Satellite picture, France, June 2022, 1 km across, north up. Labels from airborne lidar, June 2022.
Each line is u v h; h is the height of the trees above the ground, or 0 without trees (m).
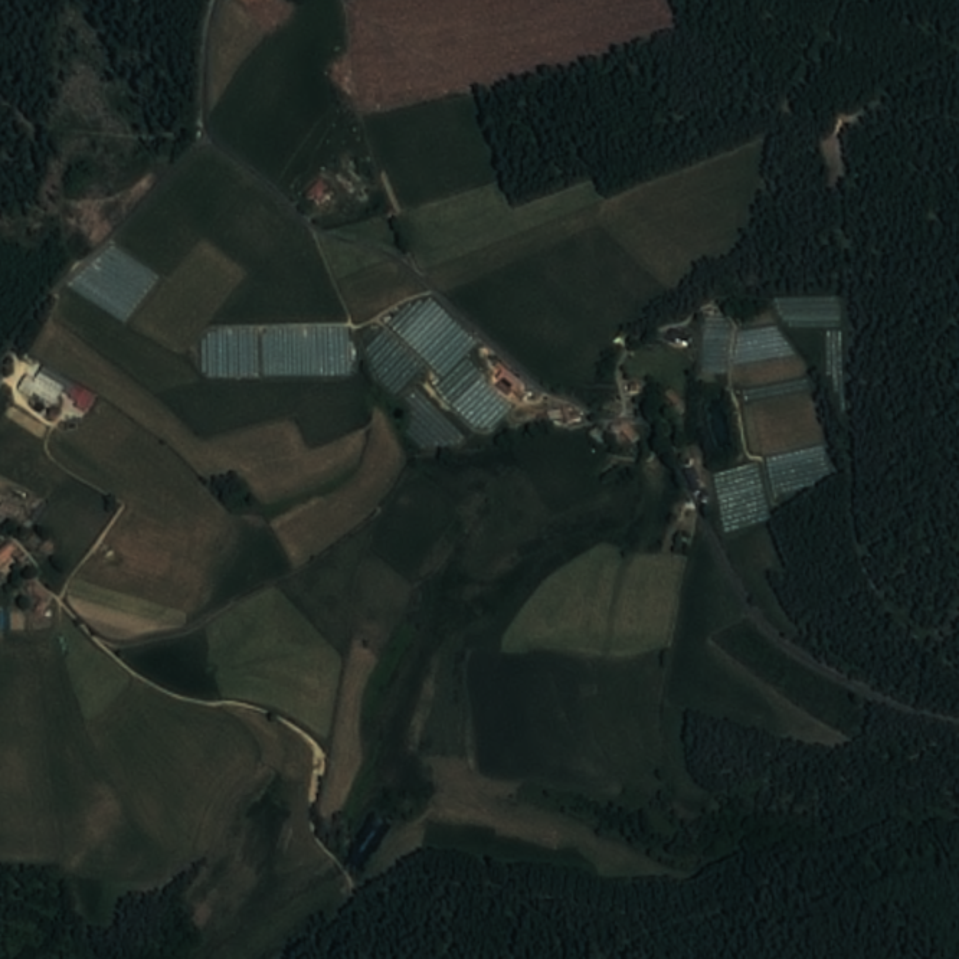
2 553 0
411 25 0
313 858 0
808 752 17
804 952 25
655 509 0
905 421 20
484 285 0
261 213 0
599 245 0
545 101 19
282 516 0
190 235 0
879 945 24
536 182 21
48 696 0
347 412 0
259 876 0
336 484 0
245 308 0
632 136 18
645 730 0
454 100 0
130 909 16
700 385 8
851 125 16
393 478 0
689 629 0
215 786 0
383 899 13
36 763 0
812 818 17
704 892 20
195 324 0
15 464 0
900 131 17
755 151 0
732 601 0
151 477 0
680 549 8
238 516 0
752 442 0
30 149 20
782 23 13
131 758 0
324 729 0
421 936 22
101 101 0
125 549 0
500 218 0
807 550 18
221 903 0
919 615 14
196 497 0
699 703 0
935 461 15
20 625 0
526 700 0
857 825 24
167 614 0
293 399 0
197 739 0
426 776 0
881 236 14
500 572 0
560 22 0
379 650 0
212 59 0
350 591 0
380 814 0
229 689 0
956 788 16
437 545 0
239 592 0
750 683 0
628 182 21
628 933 21
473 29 0
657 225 0
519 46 0
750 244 19
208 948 0
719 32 8
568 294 0
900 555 12
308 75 0
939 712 18
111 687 0
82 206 0
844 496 21
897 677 16
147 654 0
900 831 19
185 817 0
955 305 27
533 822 0
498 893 19
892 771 19
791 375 0
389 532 0
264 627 0
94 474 0
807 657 0
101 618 0
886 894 16
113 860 0
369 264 0
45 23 12
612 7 0
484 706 0
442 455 18
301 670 0
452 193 0
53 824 0
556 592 0
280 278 0
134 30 22
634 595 0
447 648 0
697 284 15
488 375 0
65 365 0
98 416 0
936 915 13
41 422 0
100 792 0
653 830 7
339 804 0
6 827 0
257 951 0
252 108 0
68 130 0
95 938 19
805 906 20
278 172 0
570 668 0
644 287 0
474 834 0
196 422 0
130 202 0
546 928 21
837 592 19
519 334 0
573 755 0
